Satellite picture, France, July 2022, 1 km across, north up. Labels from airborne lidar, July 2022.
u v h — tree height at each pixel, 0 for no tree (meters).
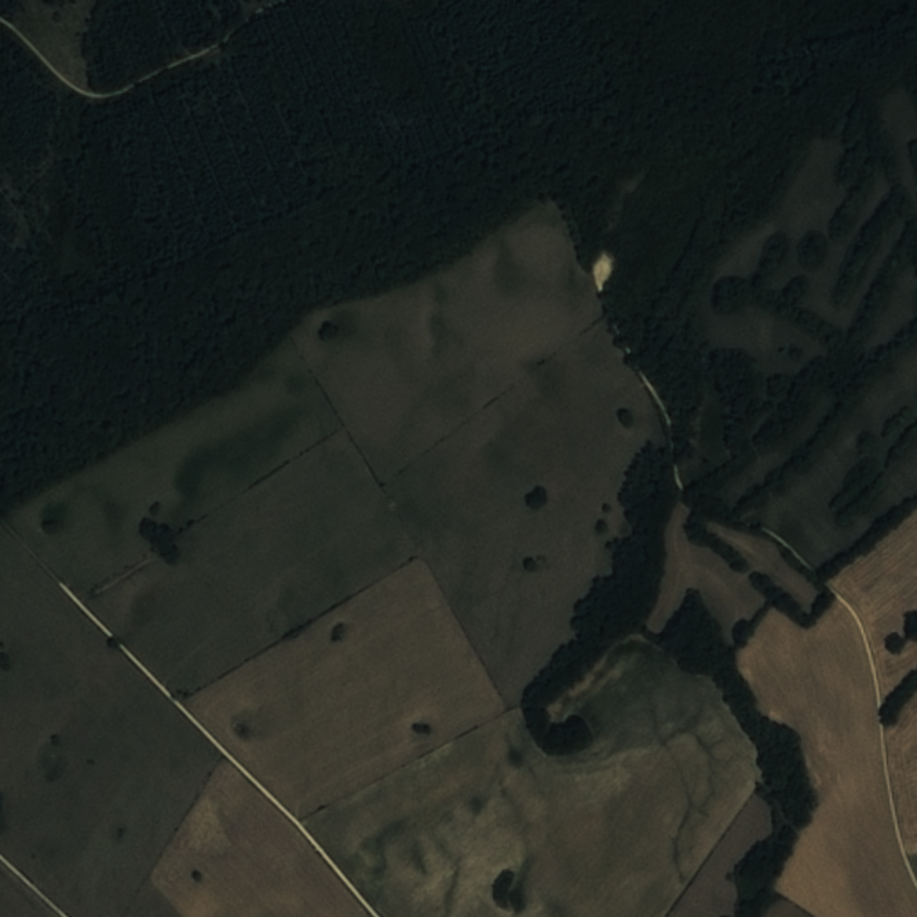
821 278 0
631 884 0
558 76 14
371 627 0
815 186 0
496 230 18
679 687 0
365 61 9
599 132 16
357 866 0
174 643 0
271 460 0
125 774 0
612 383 0
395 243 19
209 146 13
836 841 0
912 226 13
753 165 12
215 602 0
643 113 20
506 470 0
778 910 0
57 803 0
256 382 0
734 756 0
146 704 0
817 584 7
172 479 0
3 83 9
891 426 8
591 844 0
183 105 17
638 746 0
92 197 13
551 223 0
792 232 0
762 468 0
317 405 0
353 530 0
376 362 0
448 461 0
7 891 0
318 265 19
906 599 0
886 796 0
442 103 15
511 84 14
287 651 0
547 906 0
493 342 0
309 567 0
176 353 22
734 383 15
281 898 0
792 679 0
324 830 0
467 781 0
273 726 0
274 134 14
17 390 20
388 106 14
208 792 0
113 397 18
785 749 19
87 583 0
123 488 0
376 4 12
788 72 19
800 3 10
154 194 14
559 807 0
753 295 10
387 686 0
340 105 16
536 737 10
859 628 0
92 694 0
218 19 22
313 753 0
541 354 0
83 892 0
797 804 17
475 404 0
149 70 8
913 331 11
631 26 18
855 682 0
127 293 19
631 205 7
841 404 11
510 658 0
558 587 0
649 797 0
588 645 20
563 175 21
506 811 0
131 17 14
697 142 19
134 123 16
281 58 15
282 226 19
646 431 0
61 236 10
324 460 0
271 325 19
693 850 0
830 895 0
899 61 22
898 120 0
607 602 23
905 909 0
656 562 23
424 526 0
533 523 0
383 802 0
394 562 0
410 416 0
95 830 0
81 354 20
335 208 19
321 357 0
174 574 0
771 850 19
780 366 0
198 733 0
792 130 15
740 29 15
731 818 0
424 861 0
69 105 6
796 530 0
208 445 0
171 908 0
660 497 18
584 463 0
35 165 9
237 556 0
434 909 0
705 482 7
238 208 17
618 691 0
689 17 17
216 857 0
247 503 0
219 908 0
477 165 22
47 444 20
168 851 0
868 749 0
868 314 8
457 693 0
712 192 13
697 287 14
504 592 0
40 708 0
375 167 19
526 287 0
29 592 0
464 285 0
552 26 11
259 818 0
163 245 6
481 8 13
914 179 0
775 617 0
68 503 0
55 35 0
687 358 20
